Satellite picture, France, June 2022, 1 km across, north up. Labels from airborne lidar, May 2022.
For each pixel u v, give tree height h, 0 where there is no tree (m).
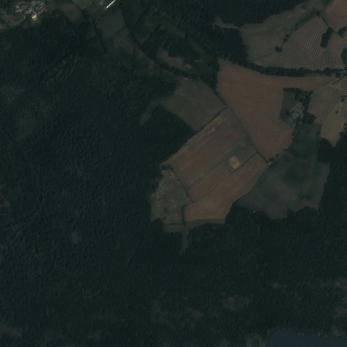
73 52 26
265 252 15
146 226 19
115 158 13
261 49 0
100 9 0
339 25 0
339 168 9
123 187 15
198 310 14
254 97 0
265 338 12
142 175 13
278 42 0
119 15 0
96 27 13
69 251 12
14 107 9
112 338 16
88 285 14
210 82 13
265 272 19
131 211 17
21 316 14
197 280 16
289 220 11
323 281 8
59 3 0
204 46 17
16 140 15
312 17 0
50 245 28
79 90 15
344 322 7
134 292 12
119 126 16
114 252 18
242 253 15
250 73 0
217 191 0
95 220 21
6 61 13
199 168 0
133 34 15
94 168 14
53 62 22
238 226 12
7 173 14
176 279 13
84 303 12
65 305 10
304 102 10
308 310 8
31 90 10
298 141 0
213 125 0
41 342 6
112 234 10
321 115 0
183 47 10
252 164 0
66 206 8
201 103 0
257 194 0
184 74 13
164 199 0
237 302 7
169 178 0
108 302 12
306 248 15
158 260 16
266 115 0
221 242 17
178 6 10
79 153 27
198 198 0
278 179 0
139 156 14
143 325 15
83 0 0
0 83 12
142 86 20
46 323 16
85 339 11
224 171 0
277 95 0
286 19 0
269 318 24
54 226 14
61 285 8
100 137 14
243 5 15
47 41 17
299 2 24
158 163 7
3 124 21
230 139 0
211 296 6
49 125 18
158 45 15
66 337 9
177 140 14
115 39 0
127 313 17
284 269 13
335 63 0
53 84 17
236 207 11
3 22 8
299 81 0
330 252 18
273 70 18
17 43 15
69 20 13
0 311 10
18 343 9
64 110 24
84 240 11
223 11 22
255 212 16
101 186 22
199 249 14
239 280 14
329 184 14
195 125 0
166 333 12
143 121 0
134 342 21
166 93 13
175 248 14
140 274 17
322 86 0
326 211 17
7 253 15
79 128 18
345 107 0
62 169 9
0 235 23
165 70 12
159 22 0
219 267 14
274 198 0
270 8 16
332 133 0
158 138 13
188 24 14
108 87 14
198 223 0
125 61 0
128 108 15
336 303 6
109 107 16
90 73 17
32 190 18
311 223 14
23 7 0
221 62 0
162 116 9
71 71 13
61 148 24
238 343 6
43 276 18
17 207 22
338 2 0
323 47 11
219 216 0
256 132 0
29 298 20
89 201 10
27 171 25
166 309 12
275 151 0
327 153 14
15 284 17
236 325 11
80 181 11
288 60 0
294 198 0
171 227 0
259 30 0
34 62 16
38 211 23
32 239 24
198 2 16
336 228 15
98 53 21
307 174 0
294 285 13
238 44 22
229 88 0
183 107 0
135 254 12
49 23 14
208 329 14
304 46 0
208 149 0
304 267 19
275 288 6
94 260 15
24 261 13
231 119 0
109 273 13
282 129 0
